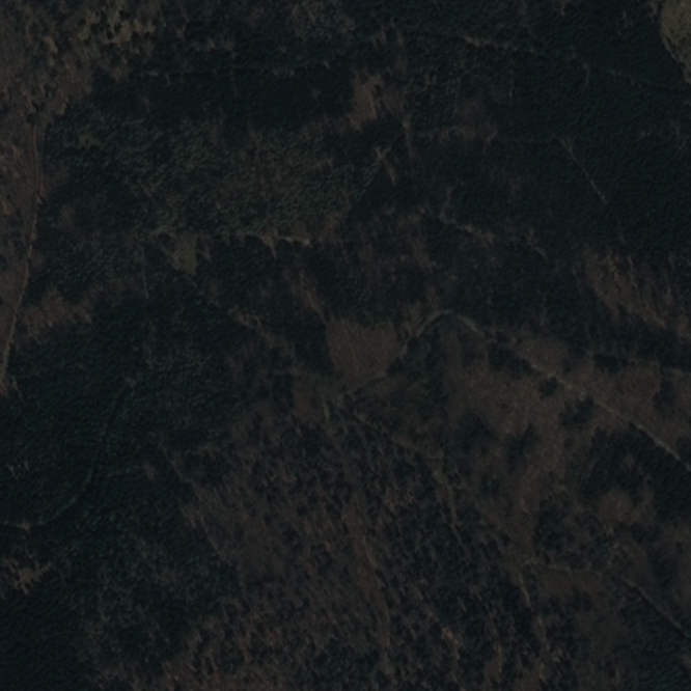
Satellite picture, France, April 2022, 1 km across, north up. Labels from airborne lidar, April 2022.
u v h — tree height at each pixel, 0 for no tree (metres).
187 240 14
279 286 20
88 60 13
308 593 38
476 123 16
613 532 31
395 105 20
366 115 19
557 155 16
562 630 33
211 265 15
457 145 22
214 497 25
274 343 12
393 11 24
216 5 20
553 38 16
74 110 17
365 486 23
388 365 19
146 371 20
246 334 22
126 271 16
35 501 18
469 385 23
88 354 27
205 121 22
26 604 20
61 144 16
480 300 22
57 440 20
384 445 37
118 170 17
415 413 9
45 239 19
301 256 19
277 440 33
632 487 15
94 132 17
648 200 19
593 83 18
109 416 17
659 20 16
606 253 21
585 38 18
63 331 23
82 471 22
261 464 15
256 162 16
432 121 19
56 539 21
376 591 10
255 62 18
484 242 16
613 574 13
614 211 16
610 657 15
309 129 17
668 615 17
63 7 6
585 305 21
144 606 28
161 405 17
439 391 11
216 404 20
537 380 18
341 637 37
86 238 17
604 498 15
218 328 19
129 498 27
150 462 21
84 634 23
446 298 25
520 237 23
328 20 30
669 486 20
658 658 29
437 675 34
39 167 14
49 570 0
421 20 26
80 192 20
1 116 9
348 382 19
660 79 15
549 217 19
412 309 23
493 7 34
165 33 17
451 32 13
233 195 15
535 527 12
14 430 20
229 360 18
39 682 23
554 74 22
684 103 21
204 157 23
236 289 19
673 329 18
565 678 34
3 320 16
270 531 20
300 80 19
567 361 20
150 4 14
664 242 19
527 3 15
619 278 19
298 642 36
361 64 18
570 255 20
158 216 17
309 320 25
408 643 38
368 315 19
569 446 16
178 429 18
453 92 11
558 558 35
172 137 19
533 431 20
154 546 23
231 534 23
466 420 14
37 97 32
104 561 24
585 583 14
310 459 35
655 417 18
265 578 13
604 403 13
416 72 11
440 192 22
